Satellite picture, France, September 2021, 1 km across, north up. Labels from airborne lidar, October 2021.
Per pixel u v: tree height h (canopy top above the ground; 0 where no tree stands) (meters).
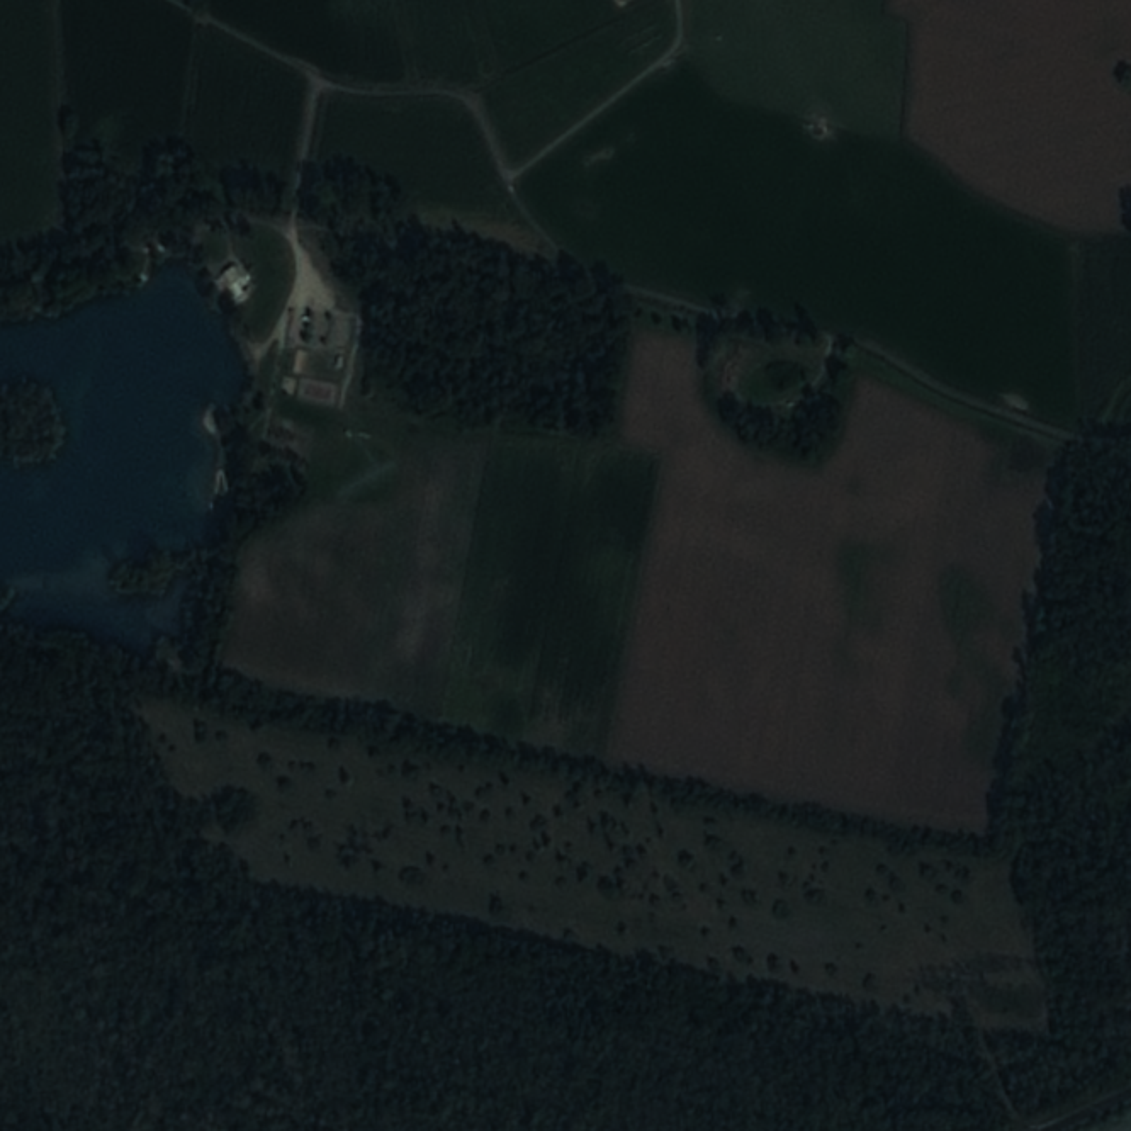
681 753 0
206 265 13
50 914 7
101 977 21
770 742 0
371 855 0
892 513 0
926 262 0
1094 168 0
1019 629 0
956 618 0
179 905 18
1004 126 0
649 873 0
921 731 0
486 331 7
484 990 15
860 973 0
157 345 0
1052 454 0
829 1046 22
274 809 0
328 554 0
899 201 0
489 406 23
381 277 30
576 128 0
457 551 0
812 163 0
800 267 0
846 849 0
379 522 0
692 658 0
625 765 0
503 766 22
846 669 0
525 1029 17
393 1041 6
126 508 0
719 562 0
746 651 0
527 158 0
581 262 0
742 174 0
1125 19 0
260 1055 14
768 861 0
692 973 8
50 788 21
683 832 0
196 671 16
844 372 15
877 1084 21
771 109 0
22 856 14
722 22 0
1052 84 0
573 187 0
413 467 0
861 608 0
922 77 0
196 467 0
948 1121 25
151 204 22
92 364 0
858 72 0
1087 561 23
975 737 0
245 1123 20
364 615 0
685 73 0
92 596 0
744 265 0
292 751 0
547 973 20
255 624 0
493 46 0
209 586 14
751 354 0
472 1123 11
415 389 15
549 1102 12
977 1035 8
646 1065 12
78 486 0
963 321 0
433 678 0
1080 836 14
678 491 0
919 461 0
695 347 0
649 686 0
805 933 0
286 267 0
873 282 0
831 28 0
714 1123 19
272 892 8
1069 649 23
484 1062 17
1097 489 10
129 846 20
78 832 17
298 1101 20
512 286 26
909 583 0
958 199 0
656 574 0
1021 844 17
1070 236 0
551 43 0
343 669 0
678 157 0
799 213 0
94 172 18
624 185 0
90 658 27
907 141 0
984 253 0
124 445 0
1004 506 0
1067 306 0
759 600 0
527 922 0
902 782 0
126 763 11
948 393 0
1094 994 16
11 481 0
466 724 0
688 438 0
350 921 12
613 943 0
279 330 0
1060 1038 14
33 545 0
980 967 0
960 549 0
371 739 22
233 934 28
